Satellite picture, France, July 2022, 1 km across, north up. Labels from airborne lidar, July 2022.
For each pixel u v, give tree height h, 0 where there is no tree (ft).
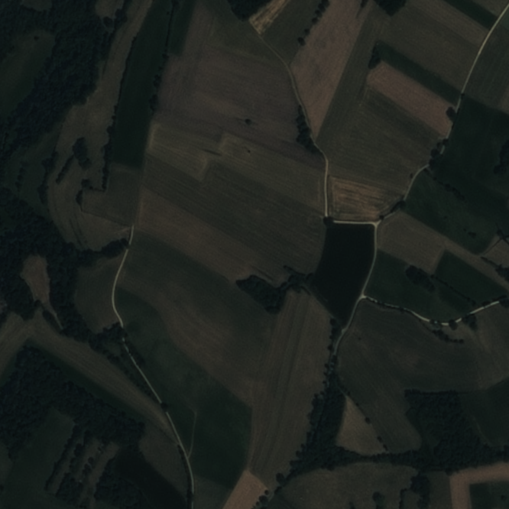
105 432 65
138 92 0
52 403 46
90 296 0
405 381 0
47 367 78
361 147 0
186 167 0
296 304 0
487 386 0
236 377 0
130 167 0
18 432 35
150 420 0
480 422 0
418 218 0
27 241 56
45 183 21
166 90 0
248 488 0
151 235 0
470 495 0
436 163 35
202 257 0
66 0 49
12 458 49
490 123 0
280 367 0
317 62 0
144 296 0
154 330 0
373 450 0
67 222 0
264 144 0
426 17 0
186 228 0
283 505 0
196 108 0
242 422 0
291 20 0
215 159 0
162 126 0
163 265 0
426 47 0
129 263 0
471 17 0
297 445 0
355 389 0
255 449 0
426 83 0
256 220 0
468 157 0
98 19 58
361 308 0
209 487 0
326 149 0
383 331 0
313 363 0
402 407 0
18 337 0
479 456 51
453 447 35
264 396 0
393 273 0
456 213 0
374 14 0
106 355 31
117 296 0
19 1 40
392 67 0
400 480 0
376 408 0
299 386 0
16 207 68
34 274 0
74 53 24
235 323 0
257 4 61
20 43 0
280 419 0
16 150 43
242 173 0
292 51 0
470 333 0
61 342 0
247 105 0
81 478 0
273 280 0
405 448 0
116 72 0
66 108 46
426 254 0
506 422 0
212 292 0
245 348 0
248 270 0
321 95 0
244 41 0
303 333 0
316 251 0
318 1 0
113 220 0
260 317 0
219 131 0
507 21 0
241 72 0
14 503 0
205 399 0
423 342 0
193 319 0
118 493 51
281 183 0
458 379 0
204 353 0
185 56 0
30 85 0
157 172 0
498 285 0
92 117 0
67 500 37
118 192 0
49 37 0
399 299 0
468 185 0
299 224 0
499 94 0
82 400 91
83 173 0
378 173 0
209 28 0
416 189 0
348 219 0
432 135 0
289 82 0
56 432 0
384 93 0
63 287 77
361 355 0
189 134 0
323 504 0
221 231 0
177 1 42
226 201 0
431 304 0
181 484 0
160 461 0
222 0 0
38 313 0
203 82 0
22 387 61
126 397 0
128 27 0
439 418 45
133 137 0
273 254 0
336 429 31
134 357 24
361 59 0
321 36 0
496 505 0
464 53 0
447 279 0
